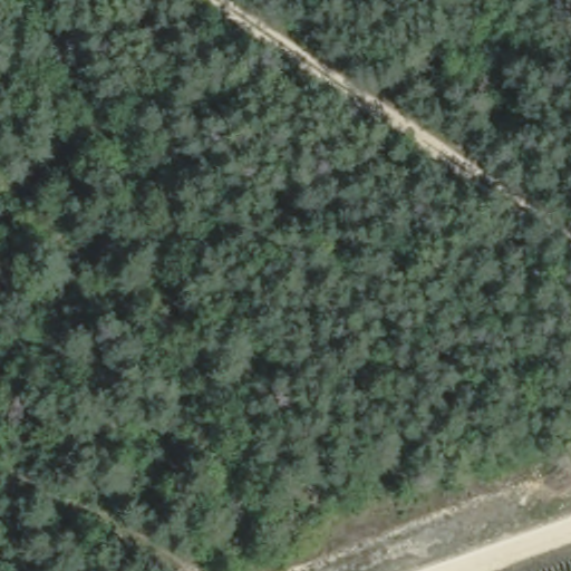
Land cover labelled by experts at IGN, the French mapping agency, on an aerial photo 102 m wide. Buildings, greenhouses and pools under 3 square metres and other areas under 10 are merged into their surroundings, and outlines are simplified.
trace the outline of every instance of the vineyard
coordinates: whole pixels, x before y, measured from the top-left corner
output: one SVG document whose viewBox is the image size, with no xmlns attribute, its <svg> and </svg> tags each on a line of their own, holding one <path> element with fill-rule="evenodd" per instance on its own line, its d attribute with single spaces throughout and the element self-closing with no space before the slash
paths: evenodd
<svg viewBox="0 0 571 571">
<path fill-rule="evenodd" d="M 571 571 L 571 544 L 533 555 L 500 571 Z"/>
</svg>

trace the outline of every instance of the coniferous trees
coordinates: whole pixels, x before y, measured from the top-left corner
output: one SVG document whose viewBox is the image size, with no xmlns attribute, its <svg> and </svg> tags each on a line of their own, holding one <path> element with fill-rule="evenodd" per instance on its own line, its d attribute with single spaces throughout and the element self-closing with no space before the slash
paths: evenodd
<svg viewBox="0 0 571 571">
<path fill-rule="evenodd" d="M 27 13 L 22 13 L 25 0 L 0 0 L 0 136 L 4 127 L 13 127 L 13 134 L 20 136 L 29 127 L 29 120 L 25 116 L 11 116 L 11 100 L 2 100 L 4 89 L 11 85 L 16 71 L 22 67 L 25 31 L 29 20 Z"/>
<path fill-rule="evenodd" d="M 147 248 L 141 248 L 141 241 L 132 236 L 112 239 L 109 234 L 100 232 L 94 234 L 89 243 L 74 250 L 69 254 L 71 274 L 69 281 L 62 286 L 62 294 L 58 294 L 56 299 L 33 301 L 31 312 L 47 314 L 42 332 L 56 339 L 58 343 L 67 341 L 69 359 L 80 357 L 87 364 L 91 364 L 89 388 L 80 388 L 78 393 L 67 395 L 56 408 L 58 419 L 71 424 L 71 435 L 67 435 L 56 448 L 40 444 L 31 446 L 31 442 L 22 442 L 20 435 L 7 444 L 0 444 L 0 571 L 228 571 L 230 562 L 241 558 L 252 560 L 257 551 L 265 544 L 274 542 L 294 546 L 303 529 L 310 524 L 310 520 L 319 515 L 317 506 L 308 506 L 308 497 L 312 493 L 317 493 L 319 500 L 343 500 L 350 482 L 361 480 L 366 475 L 375 475 L 386 491 L 390 491 L 390 495 L 399 495 L 401 484 L 413 484 L 422 475 L 430 475 L 442 491 L 451 491 L 451 484 L 459 475 L 475 475 L 484 464 L 497 462 L 504 455 L 515 453 L 520 446 L 529 444 L 533 444 L 542 453 L 542 462 L 558 464 L 564 455 L 571 457 L 571 0 L 533 0 L 533 4 L 524 13 L 517 16 L 515 29 L 504 33 L 500 40 L 484 40 L 486 71 L 475 78 L 475 83 L 466 83 L 459 74 L 451 74 L 444 65 L 446 47 L 442 45 L 442 40 L 446 36 L 448 22 L 442 11 L 435 9 L 435 0 L 234 0 L 241 9 L 259 16 L 265 25 L 286 33 L 297 45 L 306 47 L 323 67 L 343 74 L 346 78 L 361 85 L 364 91 L 370 91 L 388 100 L 397 112 L 417 120 L 426 132 L 439 136 L 444 143 L 453 147 L 459 147 L 464 152 L 464 158 L 462 163 L 455 163 L 446 156 L 430 156 L 426 149 L 417 145 L 413 134 L 393 127 L 390 118 L 384 112 L 372 112 L 364 98 L 341 96 L 341 91 L 335 85 L 321 83 L 306 69 L 301 69 L 301 60 L 286 51 L 281 45 L 254 38 L 250 31 L 245 31 L 241 25 L 228 18 L 223 20 L 221 36 L 216 36 L 214 40 L 203 40 L 196 29 L 203 25 L 212 7 L 207 0 L 42 0 L 45 13 L 49 18 L 47 36 L 56 45 L 60 62 L 69 71 L 69 83 L 74 85 L 74 91 L 83 96 L 83 100 L 87 103 L 98 123 L 107 123 L 109 109 L 127 98 L 123 89 L 136 89 L 136 65 L 143 65 L 145 69 L 156 69 L 165 62 L 165 56 L 161 54 L 163 47 L 178 51 L 174 58 L 174 67 L 181 69 L 181 76 L 172 76 L 170 85 L 161 91 L 138 91 L 138 105 L 134 107 L 134 114 L 143 116 L 143 129 L 158 129 L 163 125 L 170 138 L 165 149 L 170 163 L 158 163 L 147 174 L 125 172 L 123 183 L 134 183 L 132 214 L 147 214 L 145 199 L 152 190 L 161 190 L 165 194 L 170 214 L 183 212 L 178 232 L 192 232 L 201 239 L 205 236 L 212 245 L 210 250 L 205 250 L 203 257 L 203 265 L 210 268 L 210 274 L 196 277 L 194 283 L 187 286 L 183 281 L 154 283 L 152 265 L 156 257 L 156 245 L 149 243 Z M 176 326 L 185 326 L 185 330 L 196 335 L 199 341 L 207 339 L 207 355 L 210 361 L 219 368 L 214 372 L 214 379 L 219 384 L 232 381 L 232 390 L 248 386 L 243 404 L 250 404 L 250 410 L 245 410 L 245 422 L 252 428 L 252 439 L 248 442 L 248 448 L 234 459 L 234 468 L 230 468 L 225 477 L 225 488 L 230 493 L 232 506 L 216 513 L 207 513 L 203 504 L 196 504 L 194 497 L 187 495 L 187 486 L 196 477 L 192 471 L 192 459 L 203 459 L 223 442 L 221 424 L 210 424 L 212 415 L 207 410 L 212 410 L 214 406 L 207 404 L 201 395 L 203 379 L 194 379 L 192 384 L 183 386 L 178 386 L 176 381 L 163 381 L 161 377 L 152 379 L 149 357 L 143 355 L 143 348 L 147 343 L 143 335 L 147 330 L 156 330 L 158 337 L 165 339 L 174 335 Z M 158 439 L 163 457 L 152 462 L 147 471 L 125 468 L 125 464 L 118 459 L 123 439 L 109 439 L 109 430 L 118 430 L 132 422 L 145 422 L 145 430 L 163 433 Z"/>
<path fill-rule="evenodd" d="M 67 185 L 71 187 L 74 183 L 78 183 L 74 163 L 80 156 L 80 149 L 89 149 L 89 127 L 74 127 L 74 132 L 67 138 L 54 136 L 51 158 L 47 161 L 40 161 L 29 167 L 22 161 L 13 161 L 9 167 L 0 167 L 0 306 L 7 306 L 13 294 L 16 257 L 36 250 L 38 243 L 42 243 L 40 236 L 27 223 L 20 223 L 16 219 L 25 212 L 33 212 L 40 207 L 40 190 L 49 183 L 67 181 Z"/>
<path fill-rule="evenodd" d="M 0 377 L 4 375 L 7 366 L 20 355 L 22 346 L 13 341 L 11 346 L 7 346 L 4 355 L 0 355 Z"/>
</svg>

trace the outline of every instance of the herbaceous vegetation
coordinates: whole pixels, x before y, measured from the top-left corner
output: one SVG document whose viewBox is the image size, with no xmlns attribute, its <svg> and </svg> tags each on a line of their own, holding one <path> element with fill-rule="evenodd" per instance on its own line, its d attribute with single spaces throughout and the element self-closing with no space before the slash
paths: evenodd
<svg viewBox="0 0 571 571">
<path fill-rule="evenodd" d="M 442 491 L 430 475 L 422 475 L 413 484 L 401 484 L 399 495 L 390 495 L 384 502 L 375 502 L 359 517 L 335 520 L 330 538 L 323 544 L 323 549 L 310 555 L 306 562 L 288 567 L 286 571 L 415 571 L 439 560 L 466 553 L 475 546 L 495 542 L 504 535 L 522 533 L 538 524 L 571 515 L 571 457 L 564 455 L 558 464 L 542 462 L 535 466 L 526 466 L 495 484 L 475 482 L 475 475 L 459 475 L 451 484 L 451 491 Z"/>
</svg>

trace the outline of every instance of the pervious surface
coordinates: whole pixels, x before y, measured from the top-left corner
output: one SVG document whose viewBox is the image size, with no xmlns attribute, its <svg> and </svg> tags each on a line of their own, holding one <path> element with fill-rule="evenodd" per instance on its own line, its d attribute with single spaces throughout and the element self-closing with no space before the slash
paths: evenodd
<svg viewBox="0 0 571 571">
<path fill-rule="evenodd" d="M 504 535 L 495 542 L 475 546 L 466 553 L 439 560 L 415 571 L 500 571 L 533 555 L 571 544 L 571 515 L 538 524 L 522 533 Z"/>
<path fill-rule="evenodd" d="M 464 152 L 459 147 L 453 147 L 444 143 L 439 136 L 426 132 L 417 120 L 397 112 L 388 100 L 370 91 L 364 91 L 361 85 L 346 78 L 343 74 L 323 67 L 306 47 L 297 45 L 286 33 L 265 25 L 259 16 L 241 9 L 234 0 L 207 0 L 212 7 L 223 9 L 228 18 L 241 25 L 245 31 L 250 31 L 254 38 L 281 45 L 286 51 L 301 60 L 301 69 L 306 69 L 321 83 L 335 85 L 341 91 L 341 96 L 364 98 L 372 112 L 384 112 L 390 118 L 393 127 L 413 134 L 417 145 L 426 149 L 430 156 L 446 156 L 455 163 L 462 163 L 464 158 Z"/>
</svg>

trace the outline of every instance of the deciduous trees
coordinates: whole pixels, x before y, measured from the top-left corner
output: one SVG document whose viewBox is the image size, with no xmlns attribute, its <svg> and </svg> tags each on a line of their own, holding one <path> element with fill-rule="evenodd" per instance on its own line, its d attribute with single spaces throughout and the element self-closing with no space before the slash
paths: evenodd
<svg viewBox="0 0 571 571">
<path fill-rule="evenodd" d="M 529 444 L 520 446 L 515 453 L 504 455 L 497 462 L 484 464 L 475 475 L 475 482 L 495 484 L 526 466 L 535 466 L 542 462 L 542 453 L 533 444 Z"/>
<path fill-rule="evenodd" d="M 319 500 L 317 493 L 312 493 L 308 497 L 308 506 L 317 506 L 319 515 L 310 520 L 310 524 L 303 529 L 294 546 L 274 542 L 265 544 L 257 551 L 252 560 L 241 558 L 230 562 L 228 571 L 286 571 L 288 567 L 306 562 L 310 555 L 323 549 L 323 544 L 330 538 L 335 520 L 359 517 L 375 502 L 384 502 L 390 495 L 390 491 L 386 491 L 375 475 L 366 475 L 361 480 L 350 482 L 343 500 Z"/>
<path fill-rule="evenodd" d="M 31 446 L 40 444 L 56 448 L 67 435 L 71 435 L 71 424 L 58 419 L 56 408 L 67 395 L 78 393 L 80 388 L 89 388 L 91 364 L 87 364 L 80 357 L 69 359 L 67 341 L 58 343 L 56 339 L 42 332 L 47 314 L 31 312 L 33 301 L 56 299 L 58 294 L 62 294 L 62 286 L 69 281 L 71 274 L 69 254 L 74 250 L 89 243 L 94 234 L 100 232 L 109 234 L 112 239 L 132 236 L 141 241 L 141 248 L 147 248 L 149 243 L 156 245 L 156 257 L 152 265 L 154 283 L 183 281 L 187 286 L 194 283 L 196 277 L 210 274 L 210 268 L 203 265 L 203 257 L 205 250 L 210 250 L 212 245 L 205 236 L 201 239 L 192 232 L 178 232 L 183 212 L 170 214 L 165 194 L 161 190 L 152 190 L 145 199 L 147 214 L 132 214 L 134 183 L 123 183 L 125 172 L 147 174 L 158 163 L 170 163 L 165 149 L 170 138 L 163 125 L 158 129 L 143 129 L 143 116 L 134 114 L 134 107 L 138 105 L 138 91 L 161 91 L 170 85 L 172 76 L 181 76 L 181 69 L 174 67 L 174 58 L 178 51 L 163 47 L 161 54 L 165 56 L 165 62 L 156 69 L 145 69 L 143 65 L 136 65 L 136 89 L 123 89 L 127 98 L 109 109 L 107 123 L 98 123 L 87 103 L 83 100 L 83 96 L 74 91 L 74 85 L 69 83 L 69 71 L 60 62 L 56 45 L 47 36 L 49 18 L 45 13 L 42 0 L 25 0 L 22 13 L 27 13 L 29 20 L 25 31 L 22 67 L 16 71 L 11 85 L 4 89 L 2 100 L 11 100 L 11 116 L 25 116 L 29 120 L 29 127 L 20 136 L 13 134 L 13 127 L 4 127 L 0 136 L 0 167 L 9 167 L 13 161 L 22 161 L 29 167 L 40 161 L 47 161 L 51 158 L 54 136 L 67 138 L 74 132 L 74 127 L 89 127 L 89 149 L 80 149 L 80 156 L 74 163 L 78 183 L 74 183 L 71 187 L 67 185 L 67 181 L 49 183 L 40 190 L 40 207 L 33 212 L 25 212 L 16 219 L 20 223 L 27 223 L 40 236 L 42 243 L 38 243 L 36 250 L 16 257 L 13 294 L 7 306 L 0 306 L 0 355 L 4 355 L 7 346 L 11 346 L 13 341 L 22 346 L 20 355 L 7 366 L 4 375 L 0 377 L 0 444 L 7 444 L 20 435 L 22 442 L 31 442 Z"/>
<path fill-rule="evenodd" d="M 446 47 L 444 65 L 451 74 L 459 74 L 466 83 L 475 83 L 475 78 L 486 71 L 484 40 L 500 40 L 504 33 L 515 29 L 517 16 L 524 13 L 533 4 L 533 0 L 435 0 L 435 9 L 442 11 L 448 22 L 446 36 L 442 40 L 442 45 Z"/>
<path fill-rule="evenodd" d="M 203 40 L 214 40 L 216 36 L 221 36 L 223 20 L 228 18 L 223 9 L 212 7 L 203 25 L 196 29 Z"/>
<path fill-rule="evenodd" d="M 207 410 L 212 415 L 210 424 L 221 424 L 223 442 L 203 459 L 192 459 L 192 471 L 196 477 L 187 486 L 187 495 L 194 497 L 196 504 L 203 504 L 207 513 L 216 513 L 232 506 L 230 493 L 225 488 L 225 477 L 230 468 L 234 468 L 234 459 L 248 448 L 248 442 L 252 439 L 252 428 L 245 422 L 245 410 L 250 410 L 250 404 L 243 404 L 248 386 L 232 390 L 232 381 L 219 384 L 214 379 L 214 372 L 219 368 L 210 361 L 207 355 L 207 339 L 199 341 L 196 335 L 185 330 L 185 326 L 176 326 L 174 335 L 165 339 L 158 337 L 156 330 L 147 330 L 143 335 L 147 343 L 143 348 L 143 355 L 149 357 L 152 379 L 161 377 L 163 381 L 176 381 L 178 386 L 183 386 L 192 384 L 194 379 L 203 379 L 201 395 L 207 404 L 214 406 L 212 410 Z"/>
<path fill-rule="evenodd" d="M 147 471 L 152 462 L 163 457 L 158 439 L 163 433 L 145 430 L 145 422 L 132 422 L 118 430 L 109 430 L 109 439 L 123 439 L 118 459 L 125 464 L 125 468 Z"/>
</svg>

